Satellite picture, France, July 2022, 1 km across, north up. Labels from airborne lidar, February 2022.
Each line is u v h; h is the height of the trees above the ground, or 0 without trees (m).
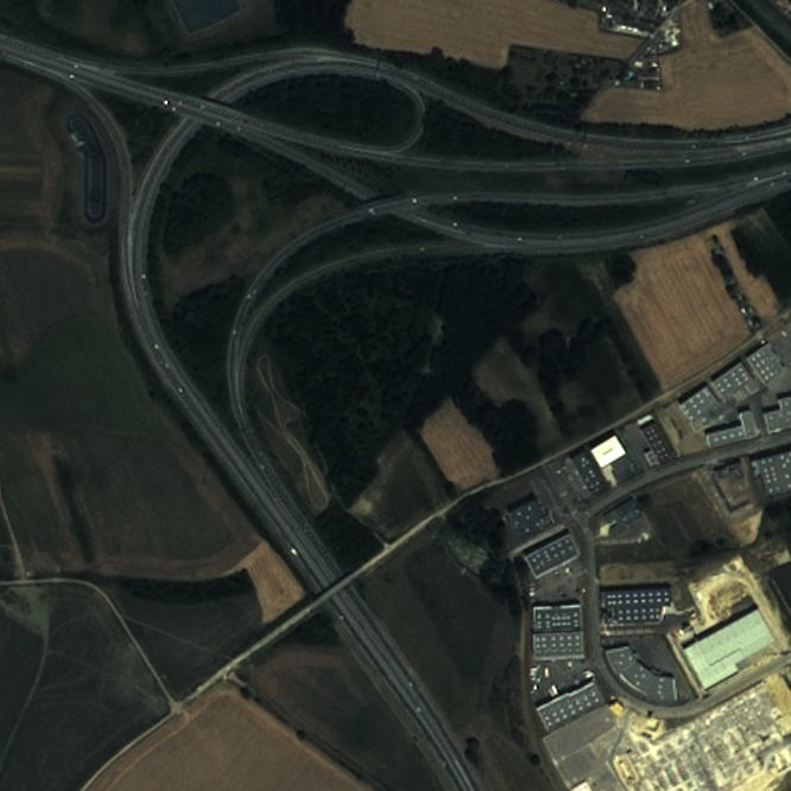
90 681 0
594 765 0
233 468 0
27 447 0
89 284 0
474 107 0
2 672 0
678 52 0
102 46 0
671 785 0
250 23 0
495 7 0
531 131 0
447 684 0
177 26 0
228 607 0
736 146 0
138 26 0
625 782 0
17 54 0
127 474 0
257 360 0
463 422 0
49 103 0
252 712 0
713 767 0
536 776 0
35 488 0
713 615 0
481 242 0
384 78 0
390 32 0
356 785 0
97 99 0
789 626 0
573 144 0
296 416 0
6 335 0
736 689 0
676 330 0
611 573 0
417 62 9
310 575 0
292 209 0
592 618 0
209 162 0
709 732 0
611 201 0
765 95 0
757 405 0
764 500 0
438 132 9
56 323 0
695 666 0
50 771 0
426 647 0
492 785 0
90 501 0
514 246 0
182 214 8
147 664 0
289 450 0
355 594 0
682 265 0
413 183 0
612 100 0
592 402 0
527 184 0
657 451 0
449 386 17
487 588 13
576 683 0
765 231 0
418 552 0
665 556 0
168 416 0
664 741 0
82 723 0
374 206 0
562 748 0
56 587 0
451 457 0
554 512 0
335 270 0
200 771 0
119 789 0
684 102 0
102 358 0
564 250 0
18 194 0
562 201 0
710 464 0
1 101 0
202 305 5
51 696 0
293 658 0
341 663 0
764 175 0
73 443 0
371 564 0
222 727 0
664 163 0
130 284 0
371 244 6
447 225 0
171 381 0
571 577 0
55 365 0
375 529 0
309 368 8
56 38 0
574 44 0
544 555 0
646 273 0
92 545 0
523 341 12
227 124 0
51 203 0
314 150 0
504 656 0
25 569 0
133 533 0
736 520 0
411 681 0
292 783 0
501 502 0
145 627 0
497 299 18
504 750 0
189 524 0
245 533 0
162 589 8
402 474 0
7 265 0
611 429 0
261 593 0
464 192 0
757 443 0
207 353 6
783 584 0
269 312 0
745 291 0
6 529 0
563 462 0
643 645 0
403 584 0
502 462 18
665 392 0
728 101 0
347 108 7
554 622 0
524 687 0
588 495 0
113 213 0
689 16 0
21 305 0
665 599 0
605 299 0
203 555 0
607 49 0
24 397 0
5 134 0
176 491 0
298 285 0
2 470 0
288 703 0
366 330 8
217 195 7
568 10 0
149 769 0
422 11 0
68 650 0
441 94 0
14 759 0
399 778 0
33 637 0
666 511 0
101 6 0
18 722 0
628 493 0
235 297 7
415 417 13
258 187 0
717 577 0
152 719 0
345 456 12
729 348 0
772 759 0
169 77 0
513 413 19
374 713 0
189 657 0
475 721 0
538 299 15
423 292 6
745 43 0
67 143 0
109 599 0
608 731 0
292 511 0
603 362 0
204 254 0
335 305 7
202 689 0
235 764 0
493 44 0
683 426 0
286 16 9
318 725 0
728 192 0
